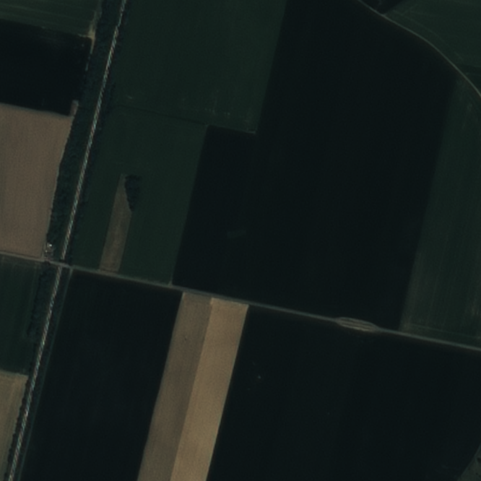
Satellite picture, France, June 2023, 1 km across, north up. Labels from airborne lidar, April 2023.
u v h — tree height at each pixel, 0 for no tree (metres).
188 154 0
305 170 0
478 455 0
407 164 0
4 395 0
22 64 0
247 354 0
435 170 0
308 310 0
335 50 0
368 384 0
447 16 0
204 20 0
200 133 0
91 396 0
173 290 0
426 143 0
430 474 0
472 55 0
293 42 0
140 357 0
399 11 0
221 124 0
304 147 0
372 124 0
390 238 0
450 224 0
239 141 0
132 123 0
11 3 0
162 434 0
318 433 0
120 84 0
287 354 0
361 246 0
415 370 0
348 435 0
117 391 0
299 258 0
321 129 0
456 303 0
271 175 0
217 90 0
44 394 0
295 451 0
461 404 0
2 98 0
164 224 0
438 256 0
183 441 0
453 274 0
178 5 0
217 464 0
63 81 0
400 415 0
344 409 0
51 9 0
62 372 0
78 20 0
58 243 7
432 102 0
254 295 0
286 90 0
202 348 0
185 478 0
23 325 0
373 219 0
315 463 0
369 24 0
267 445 0
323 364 0
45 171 0
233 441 0
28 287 0
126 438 0
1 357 0
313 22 0
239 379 0
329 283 0
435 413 0
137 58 0
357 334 0
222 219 0
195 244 0
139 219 0
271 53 0
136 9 0
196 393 0
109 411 0
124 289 0
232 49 0
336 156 0
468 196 0
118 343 0
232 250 0
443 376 0
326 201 0
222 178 0
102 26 14
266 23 0
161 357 0
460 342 0
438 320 0
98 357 0
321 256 0
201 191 0
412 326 0
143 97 0
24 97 0
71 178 8
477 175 0
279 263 0
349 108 0
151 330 0
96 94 11
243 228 0
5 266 0
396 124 0
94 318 0
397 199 0
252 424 0
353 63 0
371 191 0
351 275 0
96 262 0
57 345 0
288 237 0
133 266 0
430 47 0
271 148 0
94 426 0
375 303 0
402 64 0
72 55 0
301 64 0
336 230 0
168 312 0
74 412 0
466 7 0
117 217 0
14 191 0
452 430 0
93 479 0
